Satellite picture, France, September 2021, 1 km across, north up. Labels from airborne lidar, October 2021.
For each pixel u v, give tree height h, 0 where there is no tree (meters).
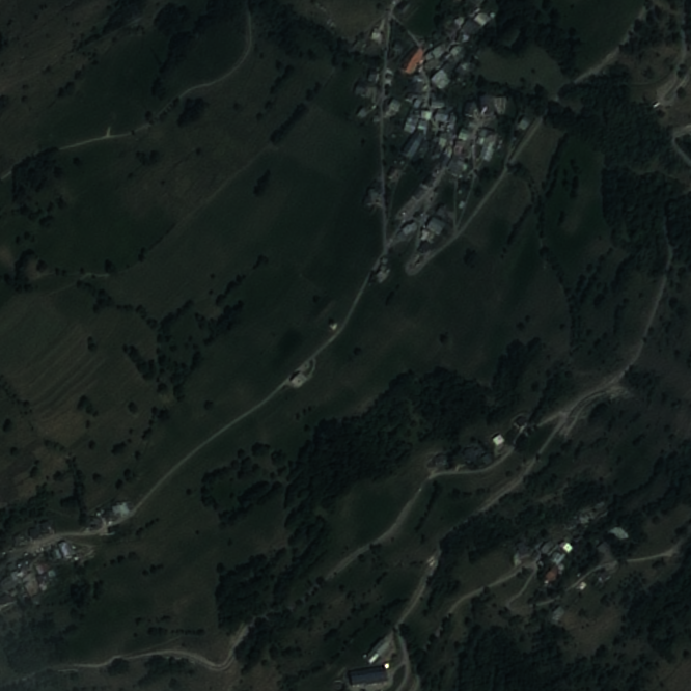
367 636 0
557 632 18
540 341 10
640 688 7
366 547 0
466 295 0
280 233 0
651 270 15
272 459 7
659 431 0
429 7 0
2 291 0
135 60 0
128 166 0
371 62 10
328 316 0
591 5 0
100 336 0
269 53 0
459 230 0
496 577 0
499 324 0
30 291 12
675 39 15
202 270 0
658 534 0
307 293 0
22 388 0
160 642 0
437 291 0
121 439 0
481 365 0
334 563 0
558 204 0
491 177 14
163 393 14
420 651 15
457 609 0
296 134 0
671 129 15
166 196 0
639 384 7
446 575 12
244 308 14
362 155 0
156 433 0
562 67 15
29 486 0
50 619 8
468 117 9
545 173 0
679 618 17
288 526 14
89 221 0
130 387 0
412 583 0
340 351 0
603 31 0
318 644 0
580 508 11
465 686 21
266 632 22
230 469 7
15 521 14
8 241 0
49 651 23
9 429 14
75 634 18
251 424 0
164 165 0
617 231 16
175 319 13
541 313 0
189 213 0
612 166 19
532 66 0
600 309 16
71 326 0
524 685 29
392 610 14
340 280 0
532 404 0
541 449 0
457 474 0
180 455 0
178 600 0
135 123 0
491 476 0
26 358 0
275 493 16
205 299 0
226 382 0
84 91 0
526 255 0
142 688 12
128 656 0
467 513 0
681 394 0
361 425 13
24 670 21
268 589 17
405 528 0
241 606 27
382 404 15
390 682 0
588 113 18
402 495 0
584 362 0
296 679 10
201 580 0
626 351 0
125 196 0
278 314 0
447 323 0
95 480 0
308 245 0
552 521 16
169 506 0
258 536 0
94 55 8
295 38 14
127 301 0
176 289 0
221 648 0
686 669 0
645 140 24
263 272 0
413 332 0
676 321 13
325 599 0
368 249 0
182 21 18
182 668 12
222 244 0
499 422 21
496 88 12
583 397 0
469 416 20
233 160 0
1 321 0
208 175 0
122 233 0
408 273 0
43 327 0
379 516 0
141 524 0
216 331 15
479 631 19
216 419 0
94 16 0
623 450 0
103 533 0
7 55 0
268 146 0
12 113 0
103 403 0
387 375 0
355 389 0
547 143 0
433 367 0
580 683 16
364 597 7
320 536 17
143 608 0
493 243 0
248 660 13
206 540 0
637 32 13
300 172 0
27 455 0
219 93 0
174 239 0
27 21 0
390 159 0
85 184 0
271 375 0
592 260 0
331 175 0
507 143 8
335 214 0
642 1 0
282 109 0
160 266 0
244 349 0
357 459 24
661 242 18
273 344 0
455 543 20
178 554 0
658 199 20
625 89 14
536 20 19
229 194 0
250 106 0
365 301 0
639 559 0
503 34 20
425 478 0
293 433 0
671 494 14
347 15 0
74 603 8
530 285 0
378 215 0
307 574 19
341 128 0
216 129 0
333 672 0
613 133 11
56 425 0
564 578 7
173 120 0
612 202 23
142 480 0
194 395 0
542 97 16
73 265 0
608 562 0
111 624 0
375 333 0
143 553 0
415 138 0
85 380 0
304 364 0
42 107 0
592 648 0
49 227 13
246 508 16
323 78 0
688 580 14
